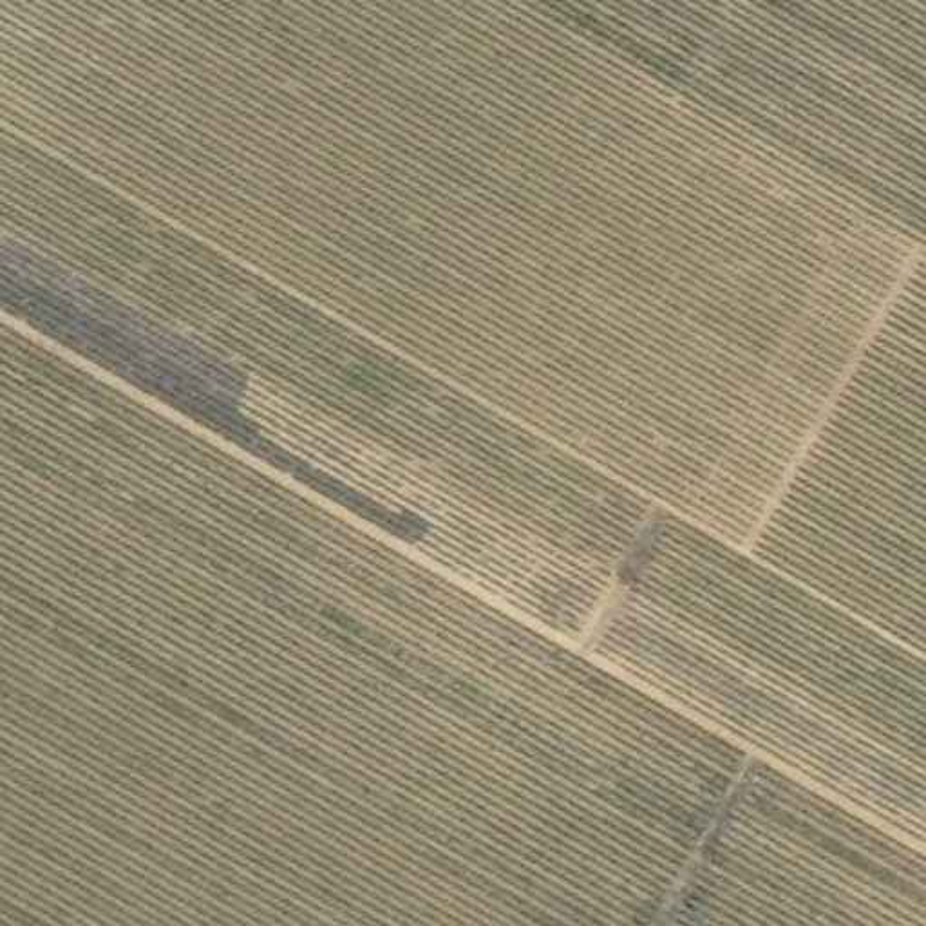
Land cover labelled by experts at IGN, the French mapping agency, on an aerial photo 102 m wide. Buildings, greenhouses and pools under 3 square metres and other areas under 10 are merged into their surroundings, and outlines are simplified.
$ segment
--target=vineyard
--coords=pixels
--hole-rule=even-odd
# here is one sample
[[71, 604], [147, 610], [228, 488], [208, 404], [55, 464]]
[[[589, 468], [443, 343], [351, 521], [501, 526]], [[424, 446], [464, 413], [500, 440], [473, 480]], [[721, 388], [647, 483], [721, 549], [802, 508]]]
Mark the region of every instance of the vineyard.
[[926, 926], [926, 0], [0, 0], [0, 926]]

